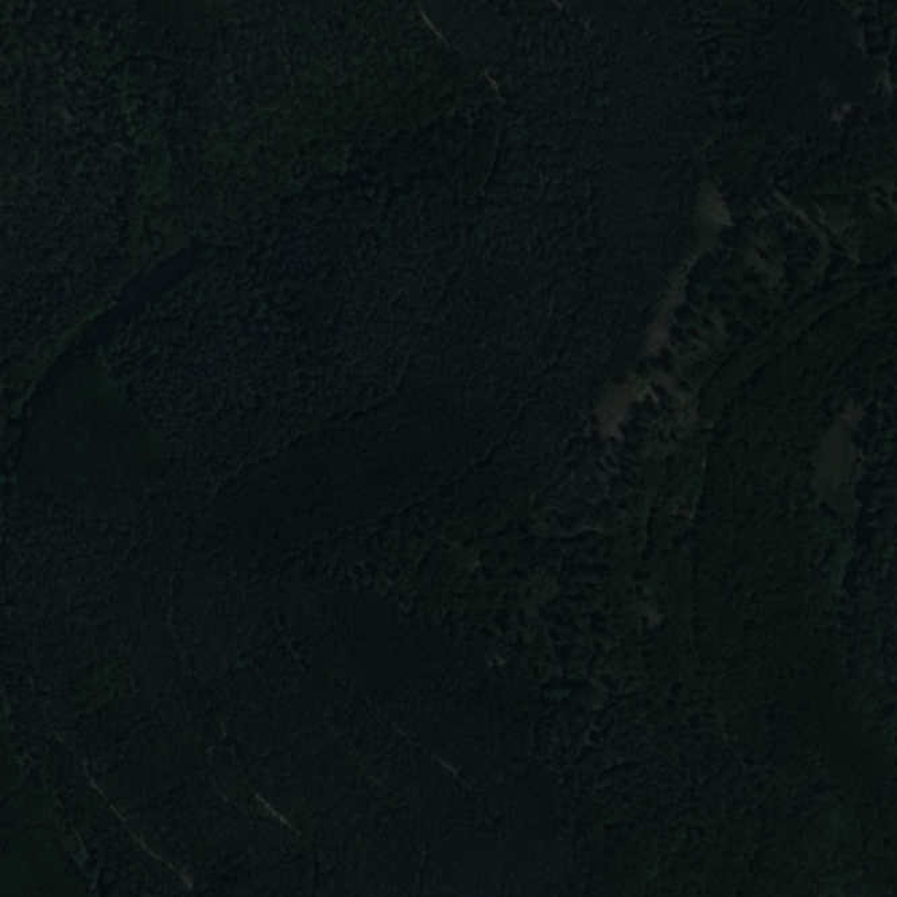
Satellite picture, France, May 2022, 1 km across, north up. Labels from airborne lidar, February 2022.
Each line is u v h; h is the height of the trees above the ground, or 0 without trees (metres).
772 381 25
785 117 10
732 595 25
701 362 10
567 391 21
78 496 22
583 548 23
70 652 22
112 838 17
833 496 0
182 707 19
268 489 17
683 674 17
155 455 0
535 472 22
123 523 19
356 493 18
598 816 15
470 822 23
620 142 20
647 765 15
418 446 17
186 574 21
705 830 26
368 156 14
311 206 30
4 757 18
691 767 17
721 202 0
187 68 28
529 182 20
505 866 18
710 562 22
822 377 22
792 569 27
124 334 31
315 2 26
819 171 21
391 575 17
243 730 20
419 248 26
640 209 23
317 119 28
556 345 22
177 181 30
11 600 25
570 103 24
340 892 19
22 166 26
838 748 18
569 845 17
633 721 12
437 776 21
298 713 19
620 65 20
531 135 23
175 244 0
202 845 16
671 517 12
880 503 19
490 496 19
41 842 22
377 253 28
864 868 18
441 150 13
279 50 24
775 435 15
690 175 20
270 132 23
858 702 30
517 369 22
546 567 8
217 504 16
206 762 20
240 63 29
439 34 21
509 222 24
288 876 20
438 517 11
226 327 33
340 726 18
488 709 19
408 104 28
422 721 17
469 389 23
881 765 15
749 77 9
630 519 12
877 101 10
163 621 21
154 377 30
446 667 21
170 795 21
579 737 16
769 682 25
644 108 22
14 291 23
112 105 32
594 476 19
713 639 20
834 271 19
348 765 15
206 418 26
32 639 23
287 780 20
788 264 34
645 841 23
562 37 24
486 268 23
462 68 25
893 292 29
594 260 20
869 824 18
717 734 15
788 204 26
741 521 23
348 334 26
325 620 23
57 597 21
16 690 25
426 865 17
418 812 16
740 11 6
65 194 27
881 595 29
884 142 19
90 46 19
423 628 22
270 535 15
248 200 32
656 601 12
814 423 29
